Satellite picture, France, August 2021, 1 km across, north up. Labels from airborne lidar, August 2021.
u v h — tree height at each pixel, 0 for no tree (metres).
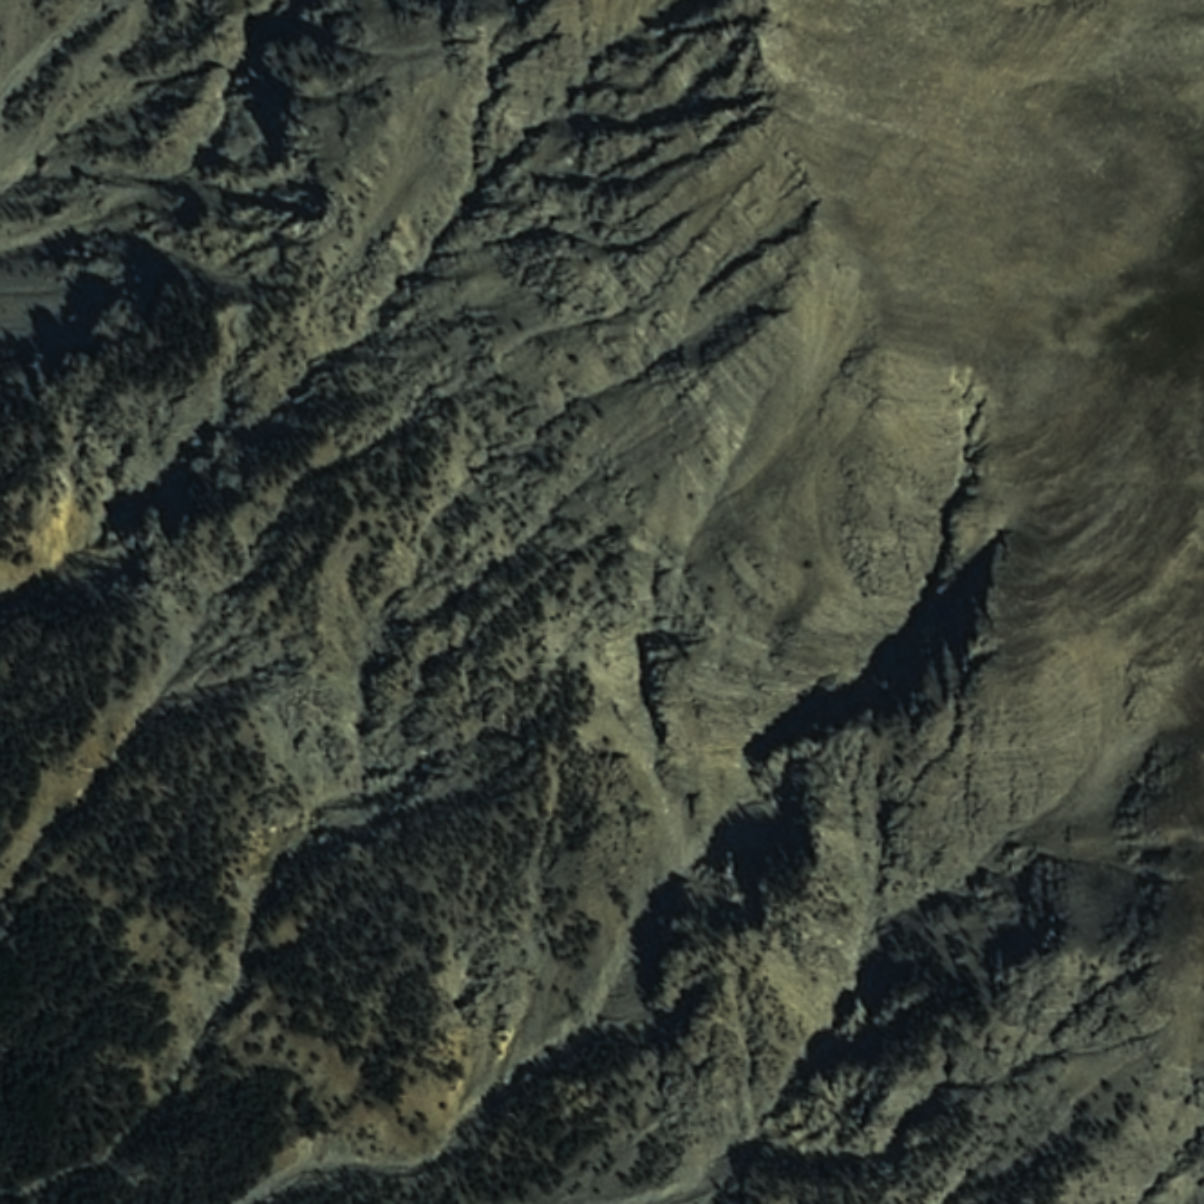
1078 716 0
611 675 0
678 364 0
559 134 0
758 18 0
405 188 0
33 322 0
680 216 0
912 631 0
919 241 0
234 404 0
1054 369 0
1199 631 0
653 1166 6
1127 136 0
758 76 0
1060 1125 0
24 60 0
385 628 0
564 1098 10
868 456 0
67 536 0
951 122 0
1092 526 0
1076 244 0
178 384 7
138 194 0
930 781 0
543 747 10
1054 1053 0
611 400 0
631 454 0
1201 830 0
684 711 0
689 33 0
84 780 0
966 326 0
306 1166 0
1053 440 0
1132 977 0
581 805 7
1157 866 0
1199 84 0
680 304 0
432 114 0
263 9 0
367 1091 6
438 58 0
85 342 0
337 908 16
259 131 0
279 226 0
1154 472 0
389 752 0
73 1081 17
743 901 0
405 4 0
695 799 0
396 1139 0
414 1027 10
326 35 0
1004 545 0
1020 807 0
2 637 8
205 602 0
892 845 0
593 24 0
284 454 13
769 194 0
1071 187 0
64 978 13
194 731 10
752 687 0
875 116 0
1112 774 0
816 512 0
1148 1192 0
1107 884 0
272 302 6
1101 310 0
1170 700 0
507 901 9
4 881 0
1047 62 0
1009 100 0
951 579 0
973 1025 6
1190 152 0
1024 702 0
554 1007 0
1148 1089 0
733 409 0
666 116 0
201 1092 8
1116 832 0
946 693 0
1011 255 0
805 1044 0
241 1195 14
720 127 0
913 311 0
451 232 0
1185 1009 0
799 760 0
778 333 0
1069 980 0
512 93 0
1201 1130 0
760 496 0
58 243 0
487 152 0
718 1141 0
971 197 0
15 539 8
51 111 0
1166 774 0
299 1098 11
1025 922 0
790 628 0
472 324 0
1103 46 0
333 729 0
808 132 0
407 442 8
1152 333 0
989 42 0
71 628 7
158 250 0
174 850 13
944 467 0
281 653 0
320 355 0
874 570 0
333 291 0
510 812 7
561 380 0
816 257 0
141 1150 9
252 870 0
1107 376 0
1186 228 0
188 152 0
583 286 0
